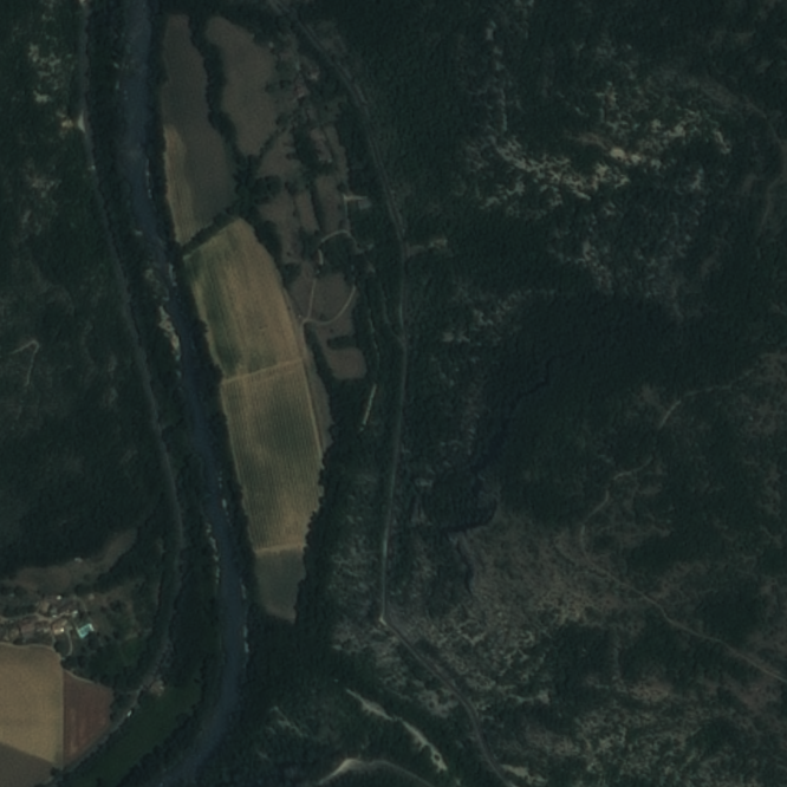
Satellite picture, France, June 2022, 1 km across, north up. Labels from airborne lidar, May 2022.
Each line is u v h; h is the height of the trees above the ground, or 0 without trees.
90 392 6
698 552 6
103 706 0
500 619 0
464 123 8
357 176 18
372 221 7
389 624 0
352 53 9
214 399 32
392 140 6
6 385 8
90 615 11
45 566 11
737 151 10
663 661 6
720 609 11
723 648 8
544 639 6
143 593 14
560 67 6
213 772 20
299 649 11
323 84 7
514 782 5
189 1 13
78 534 17
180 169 0
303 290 0
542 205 10
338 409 17
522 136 7
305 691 7
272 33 10
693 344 7
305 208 0
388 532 0
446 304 7
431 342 7
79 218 8
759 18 6
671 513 8
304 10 13
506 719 8
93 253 7
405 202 6
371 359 9
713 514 9
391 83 8
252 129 0
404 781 7
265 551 0
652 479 8
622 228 6
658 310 12
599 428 8
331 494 8
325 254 8
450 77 9
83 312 8
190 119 0
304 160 14
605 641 6
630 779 7
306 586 19
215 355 0
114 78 7
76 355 7
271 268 0
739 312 9
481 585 0
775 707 8
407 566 8
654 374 6
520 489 6
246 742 7
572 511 6
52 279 13
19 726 0
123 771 0
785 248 6
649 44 8
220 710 0
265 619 20
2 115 7
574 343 8
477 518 8
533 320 9
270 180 13
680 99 6
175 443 21
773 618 6
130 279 13
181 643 17
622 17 6
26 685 0
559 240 7
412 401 8
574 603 0
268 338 0
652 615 6
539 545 0
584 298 9
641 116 7
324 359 11
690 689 7
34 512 7
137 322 16
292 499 0
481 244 10
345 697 7
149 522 13
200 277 0
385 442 11
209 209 0
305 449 0
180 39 0
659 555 9
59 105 8
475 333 7
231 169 0
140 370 16
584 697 6
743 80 9
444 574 6
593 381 7
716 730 8
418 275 7
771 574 9
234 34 0
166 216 12
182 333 0
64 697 0
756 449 7
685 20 8
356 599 7
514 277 7
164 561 13
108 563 0
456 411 10
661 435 9
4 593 14
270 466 0
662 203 8
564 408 10
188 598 19
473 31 9
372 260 10
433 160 10
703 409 7
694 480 8
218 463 11
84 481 8
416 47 9
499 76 7
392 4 14
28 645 0
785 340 9
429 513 9
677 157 7
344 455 11
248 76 0
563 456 6
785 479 8
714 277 10
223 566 0
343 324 0
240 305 0
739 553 6
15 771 0
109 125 23
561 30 7
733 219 9
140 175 0
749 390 6
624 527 7
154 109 11
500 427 8
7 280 6
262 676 17
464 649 9
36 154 7
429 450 6
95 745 0
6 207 10
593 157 9
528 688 6
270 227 14
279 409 0
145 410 19
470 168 6
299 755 9
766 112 8
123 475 10
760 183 7
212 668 12
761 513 7
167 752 11
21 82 12
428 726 6
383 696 7
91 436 11
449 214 7
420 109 10
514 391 10
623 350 6
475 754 8
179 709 0
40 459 9
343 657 7
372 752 8
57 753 0
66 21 7
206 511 0
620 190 7
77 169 9
